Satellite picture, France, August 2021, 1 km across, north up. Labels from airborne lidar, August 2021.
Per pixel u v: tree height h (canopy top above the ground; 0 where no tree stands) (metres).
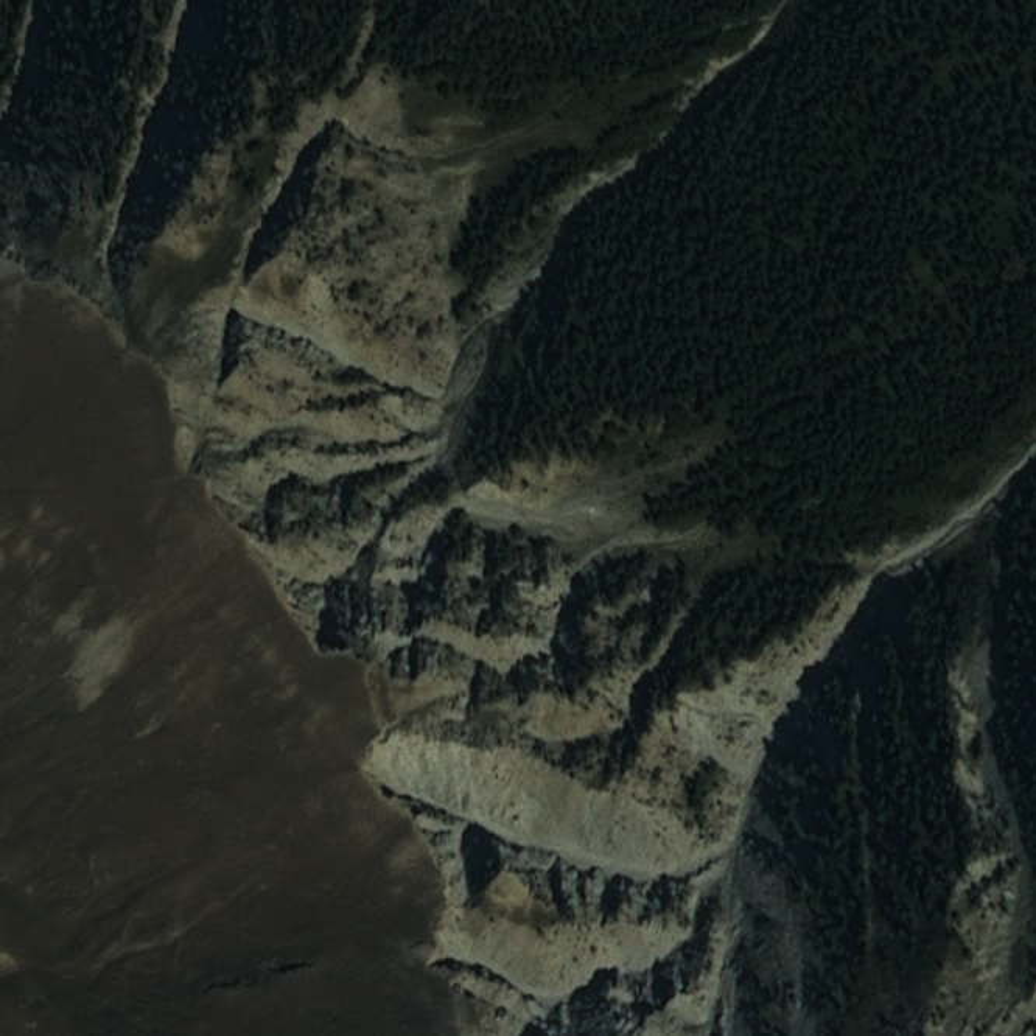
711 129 14
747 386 27
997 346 19
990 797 0
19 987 0
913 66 16
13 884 0
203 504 0
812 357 10
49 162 6
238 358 0
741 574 9
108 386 0
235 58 6
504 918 0
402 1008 0
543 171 17
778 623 13
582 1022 0
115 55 13
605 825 0
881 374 22
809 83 15
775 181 15
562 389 8
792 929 0
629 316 15
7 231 0
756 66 13
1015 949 0
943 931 0
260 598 0
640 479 0
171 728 0
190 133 0
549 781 0
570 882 0
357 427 0
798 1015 0
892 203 7
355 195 9
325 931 0
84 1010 0
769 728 0
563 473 0
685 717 0
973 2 25
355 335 0
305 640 0
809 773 11
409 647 0
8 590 0
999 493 0
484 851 0
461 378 0
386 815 0
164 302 0
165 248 0
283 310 0
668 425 15
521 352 0
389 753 0
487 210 15
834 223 23
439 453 0
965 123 13
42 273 0
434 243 0
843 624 0
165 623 0
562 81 10
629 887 0
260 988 0
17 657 0
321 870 0
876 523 13
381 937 0
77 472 0
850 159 21
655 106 12
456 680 0
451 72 19
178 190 0
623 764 11
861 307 12
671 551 0
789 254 26
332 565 0
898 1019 0
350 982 0
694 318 15
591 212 14
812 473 22
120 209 0
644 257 22
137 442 0
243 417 0
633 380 18
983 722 0
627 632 7
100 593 0
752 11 9
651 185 17
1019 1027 0
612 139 16
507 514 0
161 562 0
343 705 0
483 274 16
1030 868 0
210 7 11
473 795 0
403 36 15
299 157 0
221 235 0
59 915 0
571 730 0
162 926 0
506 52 13
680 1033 0
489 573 0
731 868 0
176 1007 0
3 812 0
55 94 7
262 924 0
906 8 19
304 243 6
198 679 0
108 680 0
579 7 23
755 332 11
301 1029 0
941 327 13
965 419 19
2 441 0
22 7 16
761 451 17
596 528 0
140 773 0
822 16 12
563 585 0
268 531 0
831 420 16
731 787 0
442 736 0
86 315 0
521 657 0
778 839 0
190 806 0
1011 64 17
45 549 0
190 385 0
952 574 14
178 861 0
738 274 20
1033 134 19
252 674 0
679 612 11
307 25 9
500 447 6
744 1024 0
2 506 0
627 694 0
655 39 12
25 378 0
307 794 0
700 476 24
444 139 0
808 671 0
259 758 0
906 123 14
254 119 10
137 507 0
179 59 0
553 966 0
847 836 19
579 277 10
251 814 0
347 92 11
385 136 0
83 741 0
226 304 0
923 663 15
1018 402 14
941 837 11
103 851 0
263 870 0
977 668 0
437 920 0
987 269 19
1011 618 20
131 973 0
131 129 11
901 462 19
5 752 0
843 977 0
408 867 0
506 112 12
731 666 20
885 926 0
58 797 0
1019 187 25
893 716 11
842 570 14
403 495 0
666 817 0
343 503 0
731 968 0
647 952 0
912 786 8
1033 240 16
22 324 0
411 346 0
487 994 0
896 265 11
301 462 0
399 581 0
